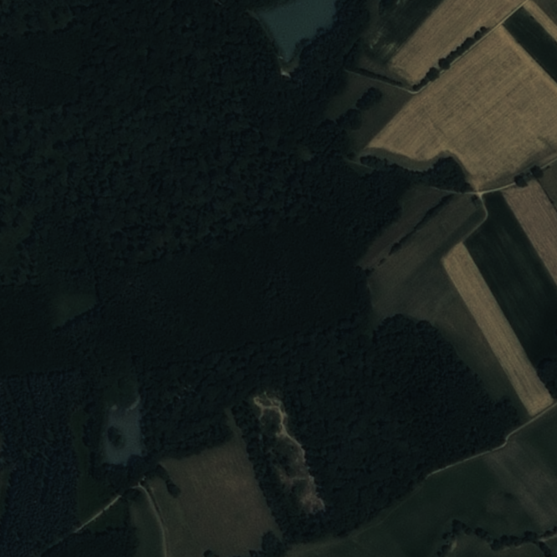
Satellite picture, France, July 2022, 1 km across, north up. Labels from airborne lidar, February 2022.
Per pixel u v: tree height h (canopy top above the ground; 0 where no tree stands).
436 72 13
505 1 0
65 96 16
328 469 28
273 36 0
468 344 0
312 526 8
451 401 24
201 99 24
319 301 15
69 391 23
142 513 0
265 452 14
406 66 0
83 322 23
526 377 0
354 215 21
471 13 0
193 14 29
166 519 0
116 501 0
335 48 24
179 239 23
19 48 17
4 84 22
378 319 0
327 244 14
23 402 22
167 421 28
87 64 13
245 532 0
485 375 0
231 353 20
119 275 14
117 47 30
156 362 16
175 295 15
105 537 16
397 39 0
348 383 20
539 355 0
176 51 24
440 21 0
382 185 26
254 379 24
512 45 0
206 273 14
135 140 27
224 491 0
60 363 15
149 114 25
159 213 21
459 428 24
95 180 14
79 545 17
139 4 24
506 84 0
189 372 24
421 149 0
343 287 13
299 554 0
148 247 26
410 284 0
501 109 0
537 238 0
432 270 0
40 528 25
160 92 25
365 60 0
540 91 0
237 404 18
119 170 29
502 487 0
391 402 22
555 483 0
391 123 0
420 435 9
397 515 0
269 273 18
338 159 20
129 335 21
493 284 0
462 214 0
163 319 15
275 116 25
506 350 0
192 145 21
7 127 26
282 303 17
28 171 27
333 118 0
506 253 0
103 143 26
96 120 26
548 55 0
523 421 0
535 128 0
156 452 11
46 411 24
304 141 25
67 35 17
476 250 0
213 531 0
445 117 0
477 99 0
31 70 16
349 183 24
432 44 0
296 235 13
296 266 14
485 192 0
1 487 0
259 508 0
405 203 0
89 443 24
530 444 0
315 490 26
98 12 19
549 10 0
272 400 0
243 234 18
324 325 12
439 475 0
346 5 16
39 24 26
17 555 25
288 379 22
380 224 9
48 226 26
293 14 0
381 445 27
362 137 0
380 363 19
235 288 12
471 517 0
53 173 24
